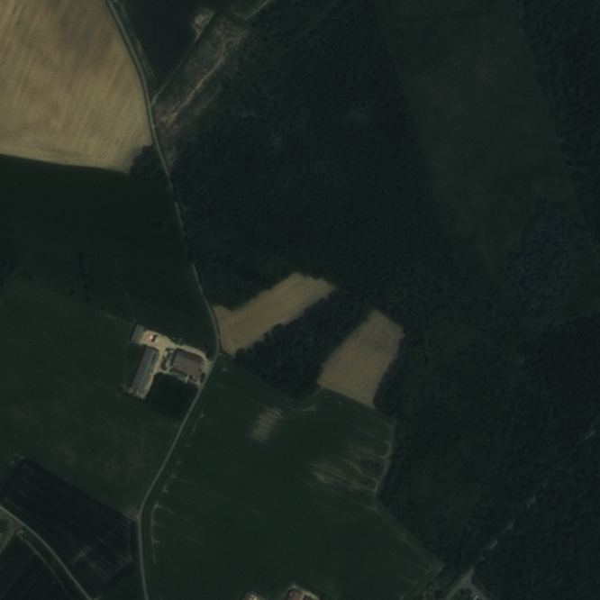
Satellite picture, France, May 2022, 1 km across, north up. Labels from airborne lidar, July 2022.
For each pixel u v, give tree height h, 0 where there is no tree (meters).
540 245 26
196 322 0
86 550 0
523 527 26
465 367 7
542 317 29
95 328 0
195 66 0
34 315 0
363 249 19
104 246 0
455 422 6
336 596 0
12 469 0
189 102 0
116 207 0
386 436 0
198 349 0
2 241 0
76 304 0
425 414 9
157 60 0
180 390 0
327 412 0
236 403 0
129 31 0
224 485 0
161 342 0
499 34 0
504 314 9
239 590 0
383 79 22
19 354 0
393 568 0
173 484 0
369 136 20
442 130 0
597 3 24
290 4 24
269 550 0
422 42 0
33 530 0
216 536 0
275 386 17
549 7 24
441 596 18
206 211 13
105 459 0
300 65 27
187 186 21
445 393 16
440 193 0
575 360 19
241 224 17
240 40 0
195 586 0
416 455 10
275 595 0
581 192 24
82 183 0
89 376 0
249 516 0
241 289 23
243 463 0
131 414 0
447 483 6
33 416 0
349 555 0
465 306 17
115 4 0
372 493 0
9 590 0
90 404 0
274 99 22
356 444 0
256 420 0
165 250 0
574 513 34
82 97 0
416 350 27
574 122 26
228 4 0
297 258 19
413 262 22
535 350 22
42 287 0
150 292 0
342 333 19
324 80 19
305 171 16
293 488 0
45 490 0
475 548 30
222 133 28
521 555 32
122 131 0
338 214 20
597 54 27
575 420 20
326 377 0
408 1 0
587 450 30
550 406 17
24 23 0
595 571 29
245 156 19
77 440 0
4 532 0
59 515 0
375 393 0
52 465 0
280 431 0
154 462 0
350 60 19
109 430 0
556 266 28
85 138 0
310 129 19
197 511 0
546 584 29
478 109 0
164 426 0
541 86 24
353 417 0
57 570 0
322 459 0
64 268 0
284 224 18
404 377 24
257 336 0
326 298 0
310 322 24
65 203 0
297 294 0
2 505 0
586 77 28
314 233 18
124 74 0
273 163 22
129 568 0
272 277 25
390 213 18
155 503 0
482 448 6
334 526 0
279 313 0
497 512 29
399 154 20
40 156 0
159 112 0
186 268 0
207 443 0
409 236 19
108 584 0
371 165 21
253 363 14
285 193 18
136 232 0
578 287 0
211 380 0
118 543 0
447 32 0
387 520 0
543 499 26
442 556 18
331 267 17
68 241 0
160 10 0
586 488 29
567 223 12
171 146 0
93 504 0
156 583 0
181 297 0
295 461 0
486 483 9
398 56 0
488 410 7
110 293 0
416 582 0
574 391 20
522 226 0
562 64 25
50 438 0
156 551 0
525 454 23
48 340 0
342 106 21
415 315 20
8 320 0
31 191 0
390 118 23
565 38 23
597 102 30
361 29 22
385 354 0
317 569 0
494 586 24
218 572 0
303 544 0
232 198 18
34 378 0
